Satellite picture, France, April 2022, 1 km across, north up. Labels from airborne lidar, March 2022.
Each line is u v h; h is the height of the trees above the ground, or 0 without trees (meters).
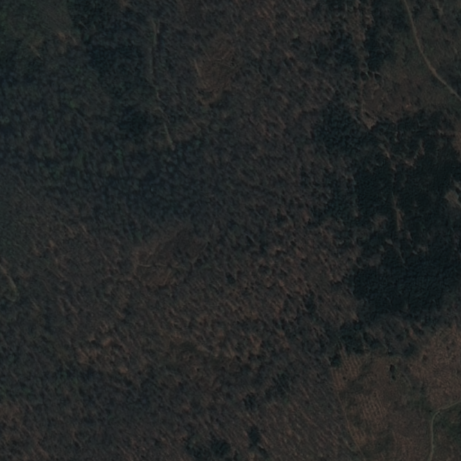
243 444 27
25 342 26
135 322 30
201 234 25
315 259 21
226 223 30
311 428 30
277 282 25
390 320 25
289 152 26
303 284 26
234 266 26
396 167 9
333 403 29
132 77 26
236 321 26
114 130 35
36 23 11
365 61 12
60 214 24
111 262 26
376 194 17
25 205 22
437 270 21
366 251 17
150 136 33
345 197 16
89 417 10
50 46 34
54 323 33
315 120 24
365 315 16
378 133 15
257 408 22
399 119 12
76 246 29
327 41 27
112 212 27
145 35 27
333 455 34
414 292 24
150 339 30
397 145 12
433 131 10
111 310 29
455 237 8
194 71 27
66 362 7
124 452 25
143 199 18
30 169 36
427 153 10
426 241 10
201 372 11
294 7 28
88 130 8
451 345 10
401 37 20
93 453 30
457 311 24
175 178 14
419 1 15
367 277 18
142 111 33
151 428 28
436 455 8
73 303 29
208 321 8
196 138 8
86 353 27
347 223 18
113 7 29
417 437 10
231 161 25
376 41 10
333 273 26
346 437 27
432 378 14
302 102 28
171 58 26
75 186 18
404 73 16
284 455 35
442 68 13
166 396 27
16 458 25
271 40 30
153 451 22
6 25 29
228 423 30
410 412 11
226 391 26
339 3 10
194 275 26
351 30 7
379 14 15
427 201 16
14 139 32
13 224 20
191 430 29
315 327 20
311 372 21
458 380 16
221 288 25
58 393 28
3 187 20
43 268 28
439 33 16
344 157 19
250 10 23
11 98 31
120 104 33
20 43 24
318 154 22
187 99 31
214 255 20
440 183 14
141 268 6
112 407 19
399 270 21
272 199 24
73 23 22
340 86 23
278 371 24
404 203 13
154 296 27
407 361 17
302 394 24
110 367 27
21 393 26
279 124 30
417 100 17
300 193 22
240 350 17
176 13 32
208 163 31
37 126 36
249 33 26
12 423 26
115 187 23
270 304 28
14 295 8
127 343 34
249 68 19
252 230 18
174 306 26
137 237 27
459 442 11
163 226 31
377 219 22
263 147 27
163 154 21
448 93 20
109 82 28
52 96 35
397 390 7
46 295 26
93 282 29
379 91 8
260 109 29
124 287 25
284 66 27
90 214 27
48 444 24
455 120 13
